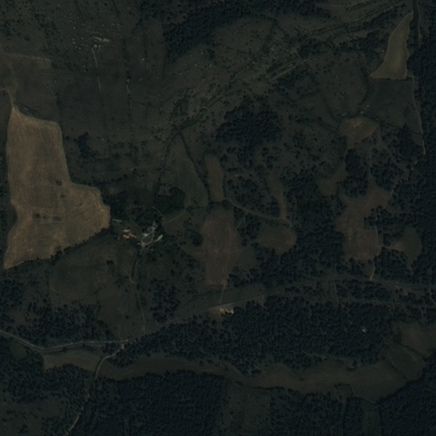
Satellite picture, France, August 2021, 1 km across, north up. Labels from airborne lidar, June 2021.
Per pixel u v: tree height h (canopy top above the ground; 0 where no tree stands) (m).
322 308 11
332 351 17
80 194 0
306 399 9
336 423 14
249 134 14
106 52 0
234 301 0
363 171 11
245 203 10
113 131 0
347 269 10
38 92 0
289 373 0
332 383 0
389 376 0
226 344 15
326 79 0
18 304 9
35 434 0
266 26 0
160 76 0
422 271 10
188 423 12
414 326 0
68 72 0
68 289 0
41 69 0
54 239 0
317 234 13
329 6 0
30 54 0
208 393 12
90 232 0
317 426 8
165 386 13
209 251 0
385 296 13
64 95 0
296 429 10
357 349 8
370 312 16
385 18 8
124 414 14
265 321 15
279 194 0
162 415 11
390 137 6
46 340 14
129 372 0
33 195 0
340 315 12
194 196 0
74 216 0
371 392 0
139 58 0
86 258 0
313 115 0
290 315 14
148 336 11
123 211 12
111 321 0
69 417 9
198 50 0
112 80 0
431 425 14
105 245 0
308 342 15
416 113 0
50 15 0
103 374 0
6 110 0
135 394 13
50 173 0
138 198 0
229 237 0
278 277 13
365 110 0
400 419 18
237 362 10
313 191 9
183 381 11
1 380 10
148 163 0
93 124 0
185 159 0
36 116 0
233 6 10
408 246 0
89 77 0
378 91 0
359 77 0
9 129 0
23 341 0
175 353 11
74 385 9
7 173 0
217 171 0
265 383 0
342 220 0
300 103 0
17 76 0
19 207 0
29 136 0
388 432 17
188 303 0
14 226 0
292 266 9
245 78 0
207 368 0
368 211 0
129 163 0
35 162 0
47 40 0
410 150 11
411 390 19
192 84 0
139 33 0
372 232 0
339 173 0
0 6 0
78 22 0
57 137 0
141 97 0
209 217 0
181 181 0
